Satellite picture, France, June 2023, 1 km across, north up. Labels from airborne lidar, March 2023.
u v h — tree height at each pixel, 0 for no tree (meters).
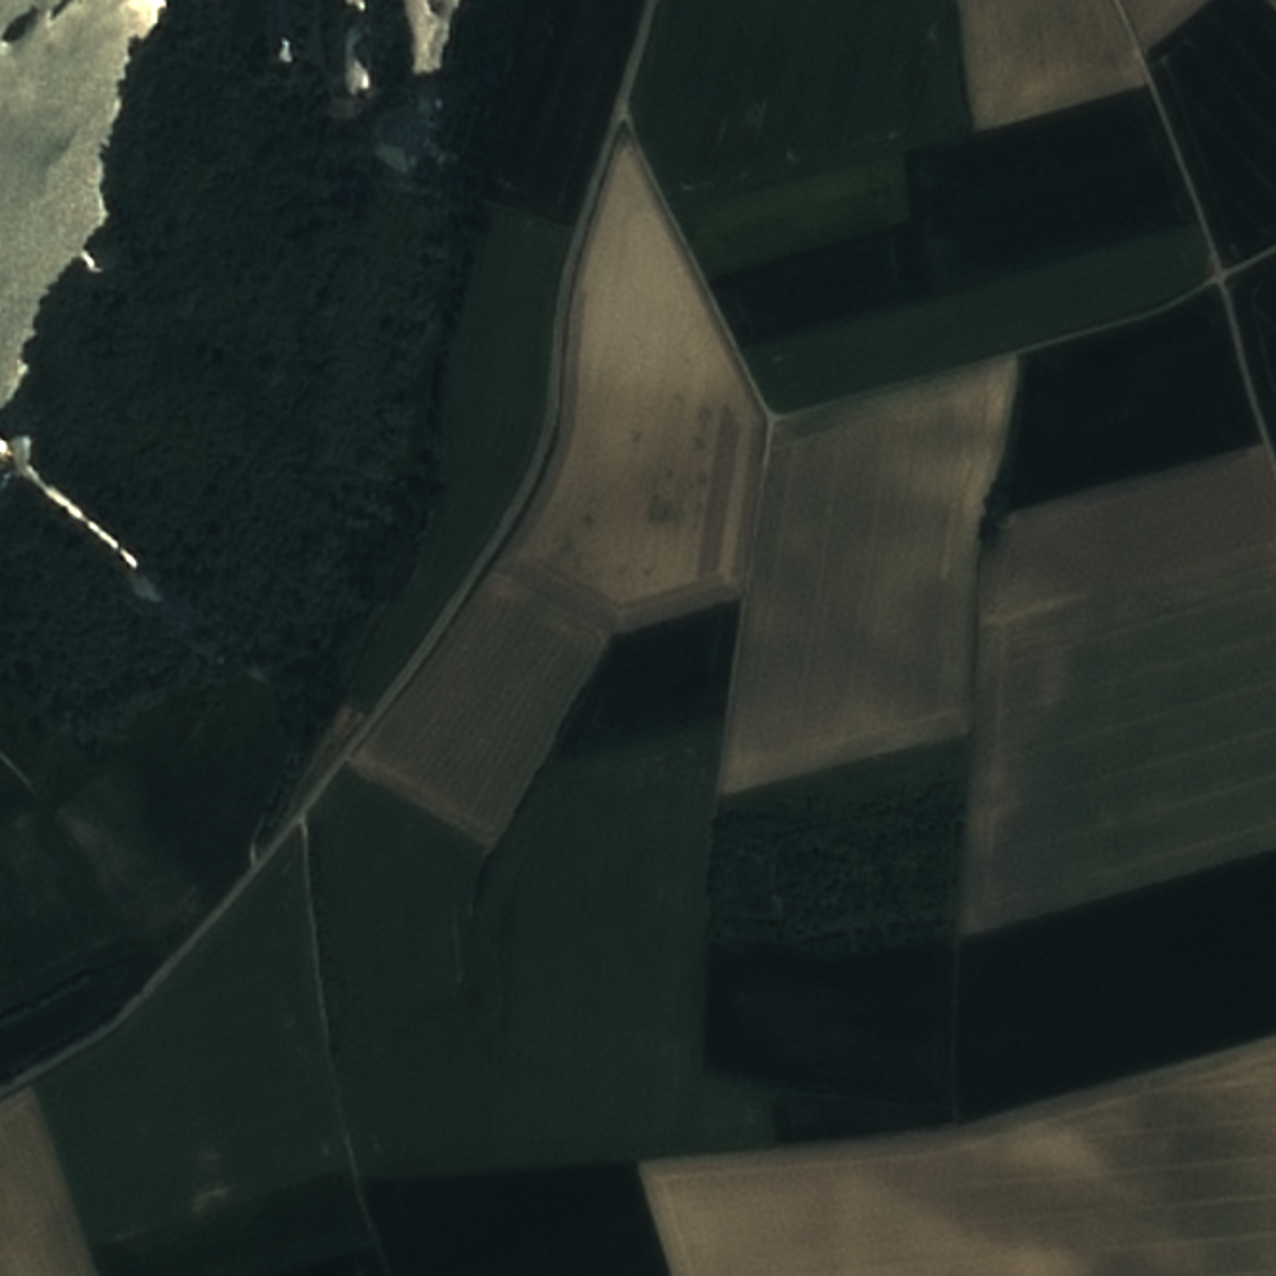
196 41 9
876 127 0
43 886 0
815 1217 0
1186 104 0
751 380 0
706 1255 0
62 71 0
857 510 0
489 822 0
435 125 9
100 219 0
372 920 0
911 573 0
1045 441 0
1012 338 0
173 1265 0
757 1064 0
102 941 0
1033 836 0
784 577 0
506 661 0
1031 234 0
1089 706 0
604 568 0
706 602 0
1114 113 0
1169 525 0
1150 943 0
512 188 0
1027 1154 0
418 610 0
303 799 0
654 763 0
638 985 0
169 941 0
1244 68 0
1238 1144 0
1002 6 0
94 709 25
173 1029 0
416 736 0
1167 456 0
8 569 12
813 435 0
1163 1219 0
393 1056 0
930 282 0
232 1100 0
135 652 7
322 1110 0
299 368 6
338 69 7
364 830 0
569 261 0
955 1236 0
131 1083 0
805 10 0
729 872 13
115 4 0
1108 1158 0
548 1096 0
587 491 0
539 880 0
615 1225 0
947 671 0
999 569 0
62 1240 0
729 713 0
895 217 0
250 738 0
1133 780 0
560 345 0
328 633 9
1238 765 0
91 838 0
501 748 0
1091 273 0
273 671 11
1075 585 0
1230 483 0
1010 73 0
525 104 0
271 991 0
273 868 0
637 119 0
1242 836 0
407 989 0
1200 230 0
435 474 8
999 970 0
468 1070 0
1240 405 0
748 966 0
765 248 0
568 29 0
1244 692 0
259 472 6
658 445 0
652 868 0
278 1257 0
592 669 0
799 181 0
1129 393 0
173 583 9
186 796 0
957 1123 0
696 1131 0
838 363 0
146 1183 0
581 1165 0
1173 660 0
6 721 0
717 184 0
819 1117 0
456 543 0
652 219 0
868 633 0
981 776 0
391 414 14
